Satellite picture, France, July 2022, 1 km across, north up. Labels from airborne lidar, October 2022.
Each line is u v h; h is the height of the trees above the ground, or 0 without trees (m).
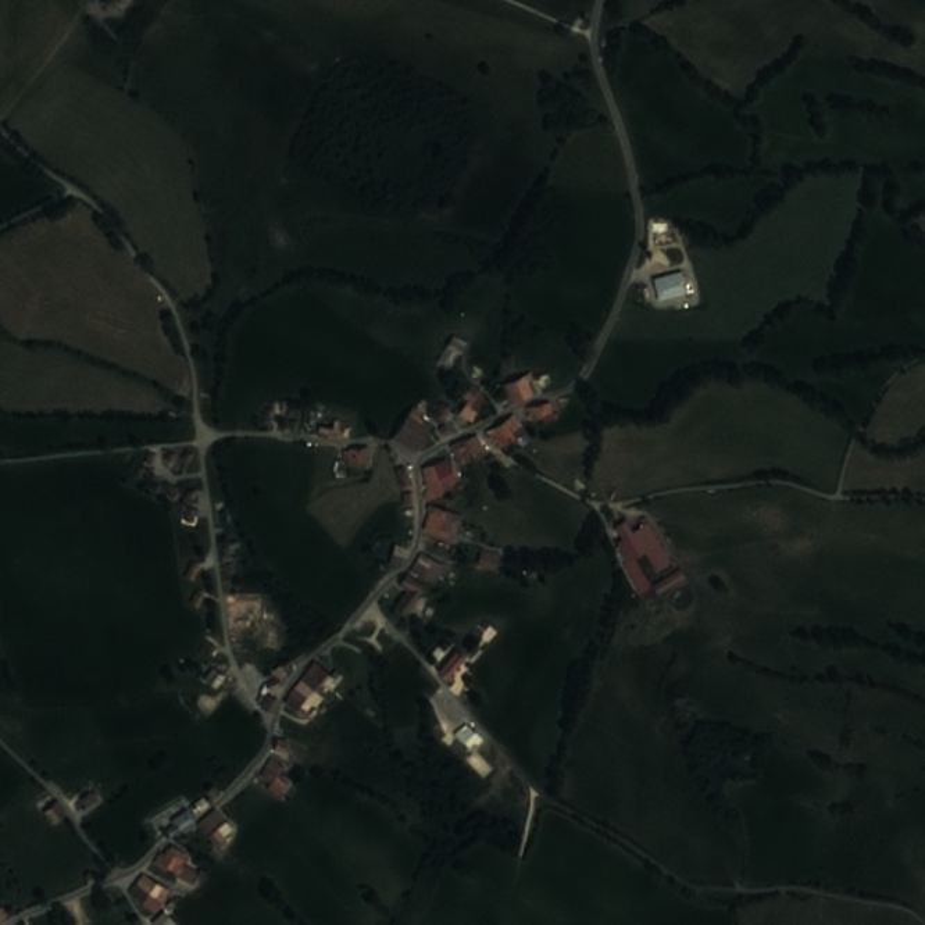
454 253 0
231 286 0
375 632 0
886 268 0
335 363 0
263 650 0
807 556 0
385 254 0
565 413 0
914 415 0
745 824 0
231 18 0
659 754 0
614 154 0
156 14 0
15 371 0
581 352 32
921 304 0
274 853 0
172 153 0
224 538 8
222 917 0
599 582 0
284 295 0
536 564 21
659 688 0
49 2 0
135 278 0
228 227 0
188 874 0
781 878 0
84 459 0
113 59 0
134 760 0
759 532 0
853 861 0
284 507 0
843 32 0
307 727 0
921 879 0
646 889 0
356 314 0
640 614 0
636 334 0
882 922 0
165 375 0
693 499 0
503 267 19
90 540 0
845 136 0
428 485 0
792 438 0
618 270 0
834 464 0
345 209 0
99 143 0
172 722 0
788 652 0
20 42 0
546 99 14
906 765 0
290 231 0
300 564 0
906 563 0
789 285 0
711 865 0
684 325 0
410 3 0
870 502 9
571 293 0
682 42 0
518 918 0
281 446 0
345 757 0
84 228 0
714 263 0
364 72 6
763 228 0
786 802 0
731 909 8
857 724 0
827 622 0
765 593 0
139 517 0
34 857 0
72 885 0
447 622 0
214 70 0
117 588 0
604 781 0
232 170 0
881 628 0
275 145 0
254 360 0
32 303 0
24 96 0
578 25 0
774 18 0
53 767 0
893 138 0
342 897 0
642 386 0
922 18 0
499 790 0
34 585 0
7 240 0
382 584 0
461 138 7
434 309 0
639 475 0
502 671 0
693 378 20
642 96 0
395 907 0
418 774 12
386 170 0
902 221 15
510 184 0
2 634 0
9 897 0
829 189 0
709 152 0
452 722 0
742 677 0
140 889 0
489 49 0
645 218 0
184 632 0
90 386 0
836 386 0
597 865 0
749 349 16
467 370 0
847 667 0
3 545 0
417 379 0
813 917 0
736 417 0
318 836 0
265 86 0
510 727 0
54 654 0
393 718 0
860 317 0
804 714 0
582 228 0
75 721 0
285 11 0
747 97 7
